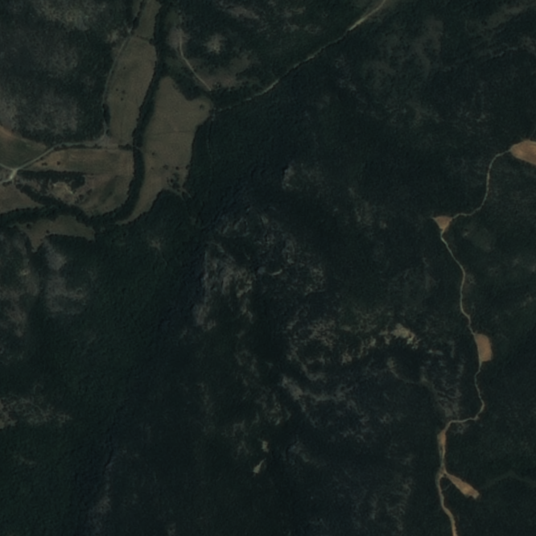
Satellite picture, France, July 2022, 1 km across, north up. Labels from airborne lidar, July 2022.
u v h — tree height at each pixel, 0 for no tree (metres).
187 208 12
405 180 7
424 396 9
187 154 0
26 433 11
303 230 5
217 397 7
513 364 5
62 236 11
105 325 7
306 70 6
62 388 11
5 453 8
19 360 6
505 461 11
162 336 8
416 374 6
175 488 6
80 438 9
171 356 5
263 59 8
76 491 12
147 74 0
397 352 5
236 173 8
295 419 9
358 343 6
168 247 8
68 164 0
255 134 6
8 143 0
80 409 9
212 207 10
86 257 7
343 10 7
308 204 9
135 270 10
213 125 8
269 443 7
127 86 0
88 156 0
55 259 0
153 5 0
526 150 0
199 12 6
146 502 5
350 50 6
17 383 10
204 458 8
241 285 7
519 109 6
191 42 6
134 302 10
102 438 8
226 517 6
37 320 11
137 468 7
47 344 11
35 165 0
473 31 7
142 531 5
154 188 0
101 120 9
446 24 6
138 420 6
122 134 0
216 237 9
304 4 6
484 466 8
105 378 8
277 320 6
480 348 0
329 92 7
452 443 6
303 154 6
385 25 7
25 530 9
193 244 12
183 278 8
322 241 6
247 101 7
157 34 11
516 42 5
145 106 12
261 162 6
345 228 7
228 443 6
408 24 6
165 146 0
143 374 6
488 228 7
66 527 13
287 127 7
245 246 10
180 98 0
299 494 7
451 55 7
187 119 0
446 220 0
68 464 7
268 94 5
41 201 12
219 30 6
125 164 0
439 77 6
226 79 0
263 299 8
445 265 6
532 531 6
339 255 6
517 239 7
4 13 8
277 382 7
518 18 8
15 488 9
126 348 13
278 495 7
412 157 9
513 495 6
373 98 7
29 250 11
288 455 7
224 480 8
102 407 10
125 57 0
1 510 8
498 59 7
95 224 17
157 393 5
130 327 11
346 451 6
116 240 10
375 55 6
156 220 6
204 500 6
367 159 7
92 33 7
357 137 7
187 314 8
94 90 7
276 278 7
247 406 7
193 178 12
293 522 10
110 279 15
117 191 0
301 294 5
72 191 6
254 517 6
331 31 8
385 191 6
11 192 0
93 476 9
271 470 9
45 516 8
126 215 13
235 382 8
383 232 6
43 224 0
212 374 6
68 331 8
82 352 8
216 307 6
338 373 6
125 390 6
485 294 7
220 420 8
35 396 6
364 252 7
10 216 17
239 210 7
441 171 8
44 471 9
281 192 7
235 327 7
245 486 5
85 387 7
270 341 9
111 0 6
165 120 0
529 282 6
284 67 7
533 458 7
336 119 8
